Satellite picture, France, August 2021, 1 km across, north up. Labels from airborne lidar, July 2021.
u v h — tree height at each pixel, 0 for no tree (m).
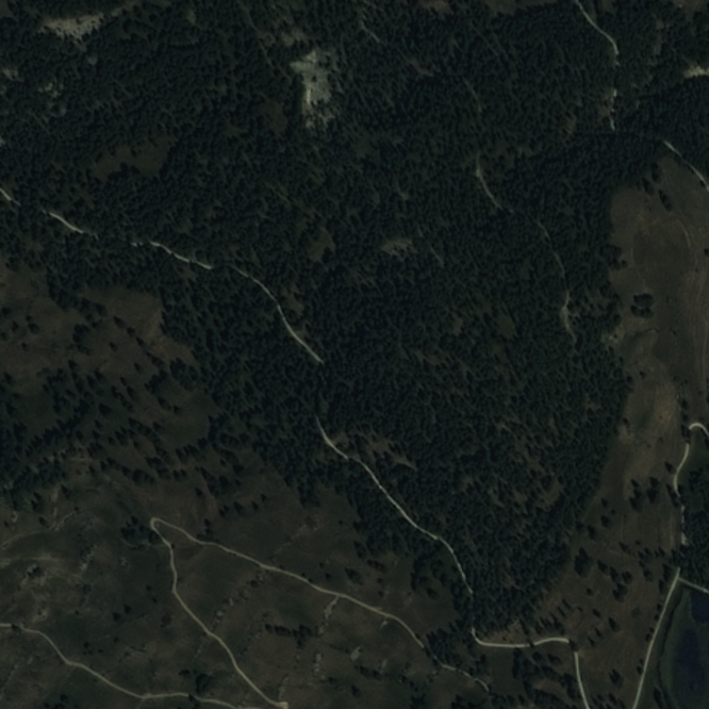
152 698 0
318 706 0
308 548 0
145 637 0
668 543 0
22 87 19
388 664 0
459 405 25
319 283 17
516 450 21
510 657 0
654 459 0
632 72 20
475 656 10
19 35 24
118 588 0
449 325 19
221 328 23
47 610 0
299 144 23
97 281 22
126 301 0
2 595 0
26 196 18
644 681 0
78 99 19
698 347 0
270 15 16
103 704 0
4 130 16
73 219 16
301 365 22
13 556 0
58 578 0
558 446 23
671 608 0
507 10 0
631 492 0
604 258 15
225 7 15
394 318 24
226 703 0
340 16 23
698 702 0
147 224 22
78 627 0
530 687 20
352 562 0
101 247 17
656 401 0
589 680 0
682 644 0
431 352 30
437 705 0
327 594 0
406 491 23
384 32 23
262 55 16
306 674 0
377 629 0
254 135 17
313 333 21
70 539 0
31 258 25
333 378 20
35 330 16
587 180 15
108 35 20
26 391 0
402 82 15
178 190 22
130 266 25
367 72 19
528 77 18
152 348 0
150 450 0
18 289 0
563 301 13
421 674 0
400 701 0
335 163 22
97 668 0
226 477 0
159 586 0
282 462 24
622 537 0
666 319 0
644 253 0
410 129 23
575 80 21
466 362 28
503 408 15
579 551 0
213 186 20
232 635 0
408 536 20
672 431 0
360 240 14
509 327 0
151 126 15
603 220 18
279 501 0
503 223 7
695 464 0
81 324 0
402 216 13
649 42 13
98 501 0
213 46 25
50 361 0
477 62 18
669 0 0
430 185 13
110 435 0
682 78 15
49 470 17
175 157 16
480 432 25
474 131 12
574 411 20
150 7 15
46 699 0
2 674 0
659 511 0
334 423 18
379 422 22
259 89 11
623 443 0
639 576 0
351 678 0
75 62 16
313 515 0
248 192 21
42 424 0
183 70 21
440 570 23
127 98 23
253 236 24
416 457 22
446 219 9
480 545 17
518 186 18
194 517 0
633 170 23
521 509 22
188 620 0
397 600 0
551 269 15
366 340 24
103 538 0
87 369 0
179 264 21
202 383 22
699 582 10
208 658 0
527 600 20
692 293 0
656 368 0
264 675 0
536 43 19
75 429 16
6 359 0
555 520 22
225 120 18
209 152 17
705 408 0
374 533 23
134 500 0
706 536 18
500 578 18
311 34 17
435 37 26
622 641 0
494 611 16
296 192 22
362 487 24
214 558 0
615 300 13
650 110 14
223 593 0
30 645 0
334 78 10
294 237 21
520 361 20
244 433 0
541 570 17
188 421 0
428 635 0
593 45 22
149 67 18
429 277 20
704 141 23
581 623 0
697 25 9
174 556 0
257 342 22
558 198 16
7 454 29
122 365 0
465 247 18
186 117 10
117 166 0
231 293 26
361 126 10
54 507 0
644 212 0
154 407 0
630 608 0
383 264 17
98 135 24
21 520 0
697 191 0
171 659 0
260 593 0
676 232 0
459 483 23
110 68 24
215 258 21
